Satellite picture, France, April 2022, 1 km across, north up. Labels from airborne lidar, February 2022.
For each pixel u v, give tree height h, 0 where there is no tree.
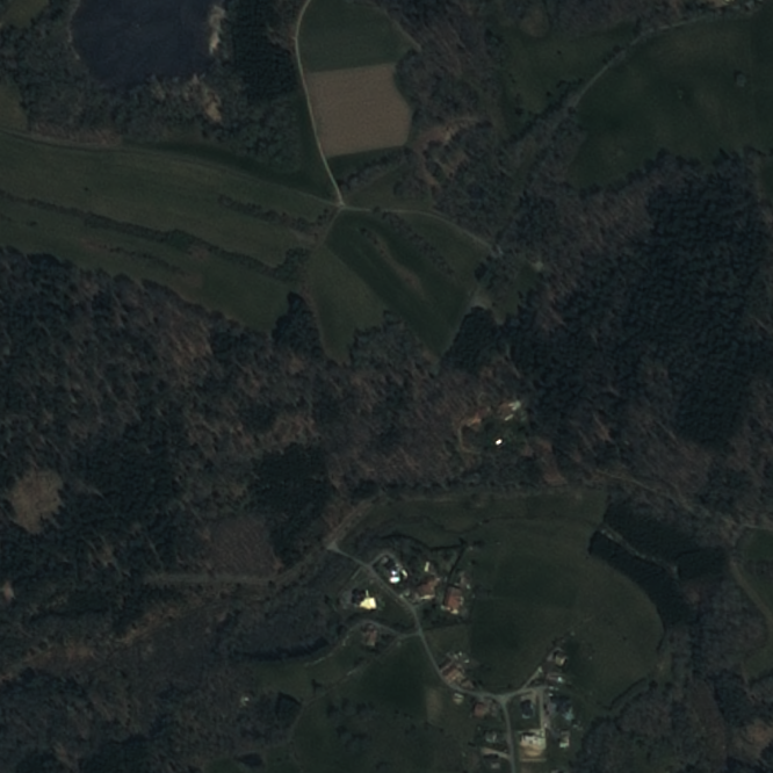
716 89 0
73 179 0
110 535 23
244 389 27
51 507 0
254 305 0
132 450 28
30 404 23
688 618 18
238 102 19
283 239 0
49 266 20
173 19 0
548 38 0
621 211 28
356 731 0
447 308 0
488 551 11
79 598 7
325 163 0
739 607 16
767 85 0
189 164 0
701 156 0
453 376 29
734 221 19
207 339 25
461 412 28
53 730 27
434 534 0
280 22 10
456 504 0
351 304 0
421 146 0
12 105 0
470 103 19
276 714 8
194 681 8
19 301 23
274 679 0
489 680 0
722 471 27
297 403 17
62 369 22
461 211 24
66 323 21
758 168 19
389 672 0
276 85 18
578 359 28
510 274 23
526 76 0
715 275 15
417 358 24
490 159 21
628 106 0
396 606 0
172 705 18
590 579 0
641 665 0
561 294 27
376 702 0
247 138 25
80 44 0
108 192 0
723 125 0
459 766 0
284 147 17
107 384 22
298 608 16
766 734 0
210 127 24
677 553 10
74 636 30
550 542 0
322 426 21
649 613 0
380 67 0
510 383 25
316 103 0
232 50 16
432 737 0
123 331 24
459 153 20
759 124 0
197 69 0
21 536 31
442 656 0
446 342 0
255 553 25
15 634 22
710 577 16
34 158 0
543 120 11
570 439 26
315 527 23
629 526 9
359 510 26
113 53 0
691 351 19
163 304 31
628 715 13
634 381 22
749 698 18
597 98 0
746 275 25
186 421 21
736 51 0
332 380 25
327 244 0
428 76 24
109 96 16
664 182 28
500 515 0
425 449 26
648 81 0
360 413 18
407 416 19
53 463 21
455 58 24
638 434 27
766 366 25
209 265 0
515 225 20
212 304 0
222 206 8
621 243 28
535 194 17
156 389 19
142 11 0
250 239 0
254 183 0
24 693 27
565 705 0
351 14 0
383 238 0
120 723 20
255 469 9
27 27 0
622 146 0
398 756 0
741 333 28
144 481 28
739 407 25
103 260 0
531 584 0
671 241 23
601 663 0
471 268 0
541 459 22
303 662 25
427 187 18
